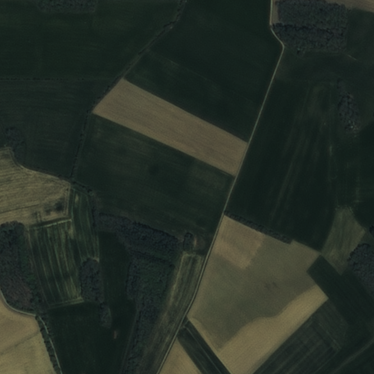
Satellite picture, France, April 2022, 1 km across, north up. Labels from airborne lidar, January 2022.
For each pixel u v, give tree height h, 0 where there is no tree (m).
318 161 0
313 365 0
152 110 0
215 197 0
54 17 0
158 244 20
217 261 0
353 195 0
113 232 12
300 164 0
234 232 0
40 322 10
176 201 0
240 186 0
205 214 0
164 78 0
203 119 0
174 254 24
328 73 0
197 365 0
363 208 0
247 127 0
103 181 0
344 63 0
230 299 0
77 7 21
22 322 0
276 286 0
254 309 0
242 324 0
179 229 0
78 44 0
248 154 0
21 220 0
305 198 0
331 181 0
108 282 0
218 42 0
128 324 0
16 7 0
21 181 0
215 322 0
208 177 0
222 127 0
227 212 7
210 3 0
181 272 0
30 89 0
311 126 0
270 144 0
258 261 0
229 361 0
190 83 0
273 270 0
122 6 0
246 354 0
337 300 0
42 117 0
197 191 0
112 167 0
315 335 0
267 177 0
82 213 0
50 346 19
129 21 0
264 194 0
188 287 0
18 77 0
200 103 0
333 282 0
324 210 0
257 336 0
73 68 0
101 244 0
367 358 0
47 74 0
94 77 0
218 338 0
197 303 0
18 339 0
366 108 0
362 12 0
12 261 26
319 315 0
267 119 0
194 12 0
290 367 0
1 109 0
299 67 0
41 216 0
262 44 0
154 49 0
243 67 0
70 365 0
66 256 0
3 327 0
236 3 0
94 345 0
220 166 0
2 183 0
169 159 0
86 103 0
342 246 0
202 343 0
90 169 0
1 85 0
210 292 0
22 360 0
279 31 17
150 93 0
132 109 0
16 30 0
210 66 0
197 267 0
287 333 0
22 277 22
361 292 0
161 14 0
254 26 0
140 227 19
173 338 0
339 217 0
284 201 0
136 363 11
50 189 0
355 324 0
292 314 0
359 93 0
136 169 0
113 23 0
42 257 0
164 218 0
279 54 0
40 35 0
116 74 0
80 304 0
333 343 0
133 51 0
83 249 0
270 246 0
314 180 0
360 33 0
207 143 0
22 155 20
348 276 0
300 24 24
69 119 0
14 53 0
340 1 0
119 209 0
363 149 0
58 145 0
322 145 0
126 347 0
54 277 0
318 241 0
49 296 0
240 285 0
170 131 0
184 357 0
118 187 0
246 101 0
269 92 0
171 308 0
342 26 28
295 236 0
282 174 0
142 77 0
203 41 0
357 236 0
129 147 0
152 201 0
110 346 0
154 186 0
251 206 0
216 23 0
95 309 0
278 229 0
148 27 0
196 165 0
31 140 0
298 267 0
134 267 17
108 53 0
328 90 0
